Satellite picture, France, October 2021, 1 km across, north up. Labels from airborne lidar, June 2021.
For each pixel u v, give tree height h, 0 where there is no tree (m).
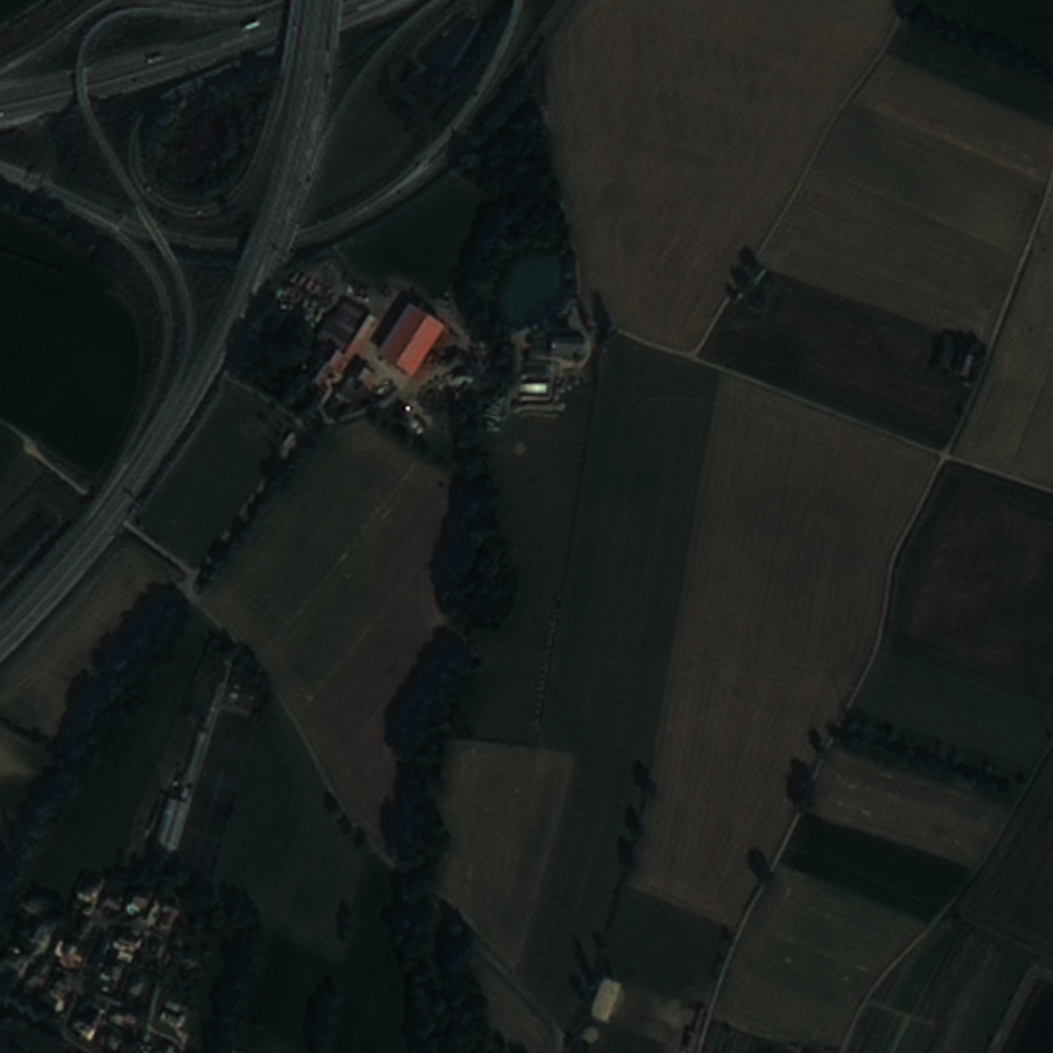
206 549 0
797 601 0
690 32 0
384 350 0
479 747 0
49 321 0
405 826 19
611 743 0
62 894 0
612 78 0
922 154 0
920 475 0
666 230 0
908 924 0
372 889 0
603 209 0
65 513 0
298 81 0
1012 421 0
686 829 0
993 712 0
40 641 0
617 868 0
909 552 0
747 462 0
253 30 0
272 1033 0
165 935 0
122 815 0
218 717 0
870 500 0
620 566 0
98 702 21
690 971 0
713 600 0
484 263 22
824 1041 0
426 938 24
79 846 0
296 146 0
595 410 0
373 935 0
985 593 0
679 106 0
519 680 0
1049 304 0
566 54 0
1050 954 0
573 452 0
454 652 18
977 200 0
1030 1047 0
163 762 0
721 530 0
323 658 0
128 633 0
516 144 23
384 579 0
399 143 0
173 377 0
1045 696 0
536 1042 0
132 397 0
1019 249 0
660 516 0
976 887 0
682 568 0
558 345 0
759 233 0
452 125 0
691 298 0
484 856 0
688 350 0
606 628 0
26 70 0
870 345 0
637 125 0
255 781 0
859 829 0
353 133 0
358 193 0
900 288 0
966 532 0
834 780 0
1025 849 0
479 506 25
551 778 0
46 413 0
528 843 0
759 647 0
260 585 0
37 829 19
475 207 0
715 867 0
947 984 0
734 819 0
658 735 0
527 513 0
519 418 0
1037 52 0
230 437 0
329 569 0
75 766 21
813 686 0
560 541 0
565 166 0
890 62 0
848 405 0
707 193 0
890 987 0
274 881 0
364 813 0
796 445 0
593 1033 0
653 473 0
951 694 0
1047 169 0
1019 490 0
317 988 0
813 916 0
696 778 0
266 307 19
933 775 13
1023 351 0
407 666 0
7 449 0
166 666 21
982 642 0
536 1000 0
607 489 0
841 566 0
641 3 0
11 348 0
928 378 0
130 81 0
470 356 0
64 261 0
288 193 0
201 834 0
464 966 23
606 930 0
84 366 0
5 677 0
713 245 0
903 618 0
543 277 0
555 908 0
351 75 0
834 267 0
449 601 20
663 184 0
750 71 0
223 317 0
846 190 0
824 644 0
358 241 0
